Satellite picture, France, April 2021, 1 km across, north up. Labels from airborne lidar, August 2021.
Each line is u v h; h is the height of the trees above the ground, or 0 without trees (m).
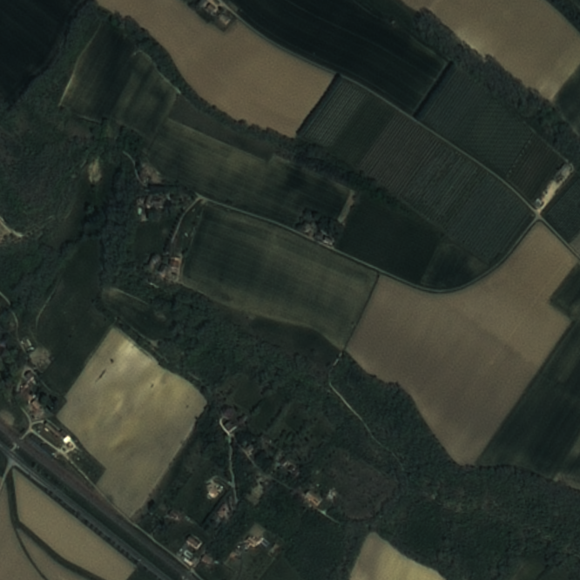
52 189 10
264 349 15
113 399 0
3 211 18
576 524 8
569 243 0
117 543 8
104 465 0
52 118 7
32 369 13
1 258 14
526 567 0
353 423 10
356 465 0
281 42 0
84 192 0
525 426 0
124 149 12
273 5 0
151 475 0
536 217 0
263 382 17
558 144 15
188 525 0
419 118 12
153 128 0
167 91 0
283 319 0
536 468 0
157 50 17
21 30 0
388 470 11
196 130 0
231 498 10
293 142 14
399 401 17
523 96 20
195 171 0
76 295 0
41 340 0
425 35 19
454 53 19
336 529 6
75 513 9
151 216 18
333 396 9
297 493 6
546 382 0
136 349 0
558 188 0
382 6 0
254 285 0
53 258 20
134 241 8
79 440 0
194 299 9
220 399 9
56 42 0
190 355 12
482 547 6
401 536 7
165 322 0
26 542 0
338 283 0
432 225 0
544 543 11
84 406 0
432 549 9
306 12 0
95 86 0
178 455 0
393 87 0
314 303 0
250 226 0
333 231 18
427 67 0
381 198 7
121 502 0
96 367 0
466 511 15
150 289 14
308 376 9
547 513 9
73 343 0
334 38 0
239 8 0
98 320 0
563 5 20
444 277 0
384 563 0
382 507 9
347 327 0
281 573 0
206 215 0
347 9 0
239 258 0
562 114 16
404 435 14
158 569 0
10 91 0
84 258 0
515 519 6
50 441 0
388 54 0
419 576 0
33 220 9
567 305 0
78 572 0
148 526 0
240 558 0
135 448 0
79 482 0
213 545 6
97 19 15
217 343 7
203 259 0
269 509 10
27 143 6
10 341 16
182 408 0
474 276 0
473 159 0
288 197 0
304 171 0
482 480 15
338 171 10
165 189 14
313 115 11
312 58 0
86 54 0
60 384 0
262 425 0
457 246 0
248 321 0
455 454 0
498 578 11
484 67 20
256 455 7
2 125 10
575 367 0
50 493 7
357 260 0
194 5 8
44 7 0
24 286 20
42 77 16
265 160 0
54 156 12
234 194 0
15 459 0
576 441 0
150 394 0
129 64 0
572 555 10
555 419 0
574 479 0
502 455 0
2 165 6
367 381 12
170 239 7
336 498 10
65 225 0
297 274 0
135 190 20
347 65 0
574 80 0
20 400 18
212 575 0
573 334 0
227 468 7
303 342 0
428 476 6
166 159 0
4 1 0
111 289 0
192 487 0
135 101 0
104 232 20
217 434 7
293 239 0
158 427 0
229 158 0
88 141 13
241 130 15
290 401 10
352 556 15
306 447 10
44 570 0
